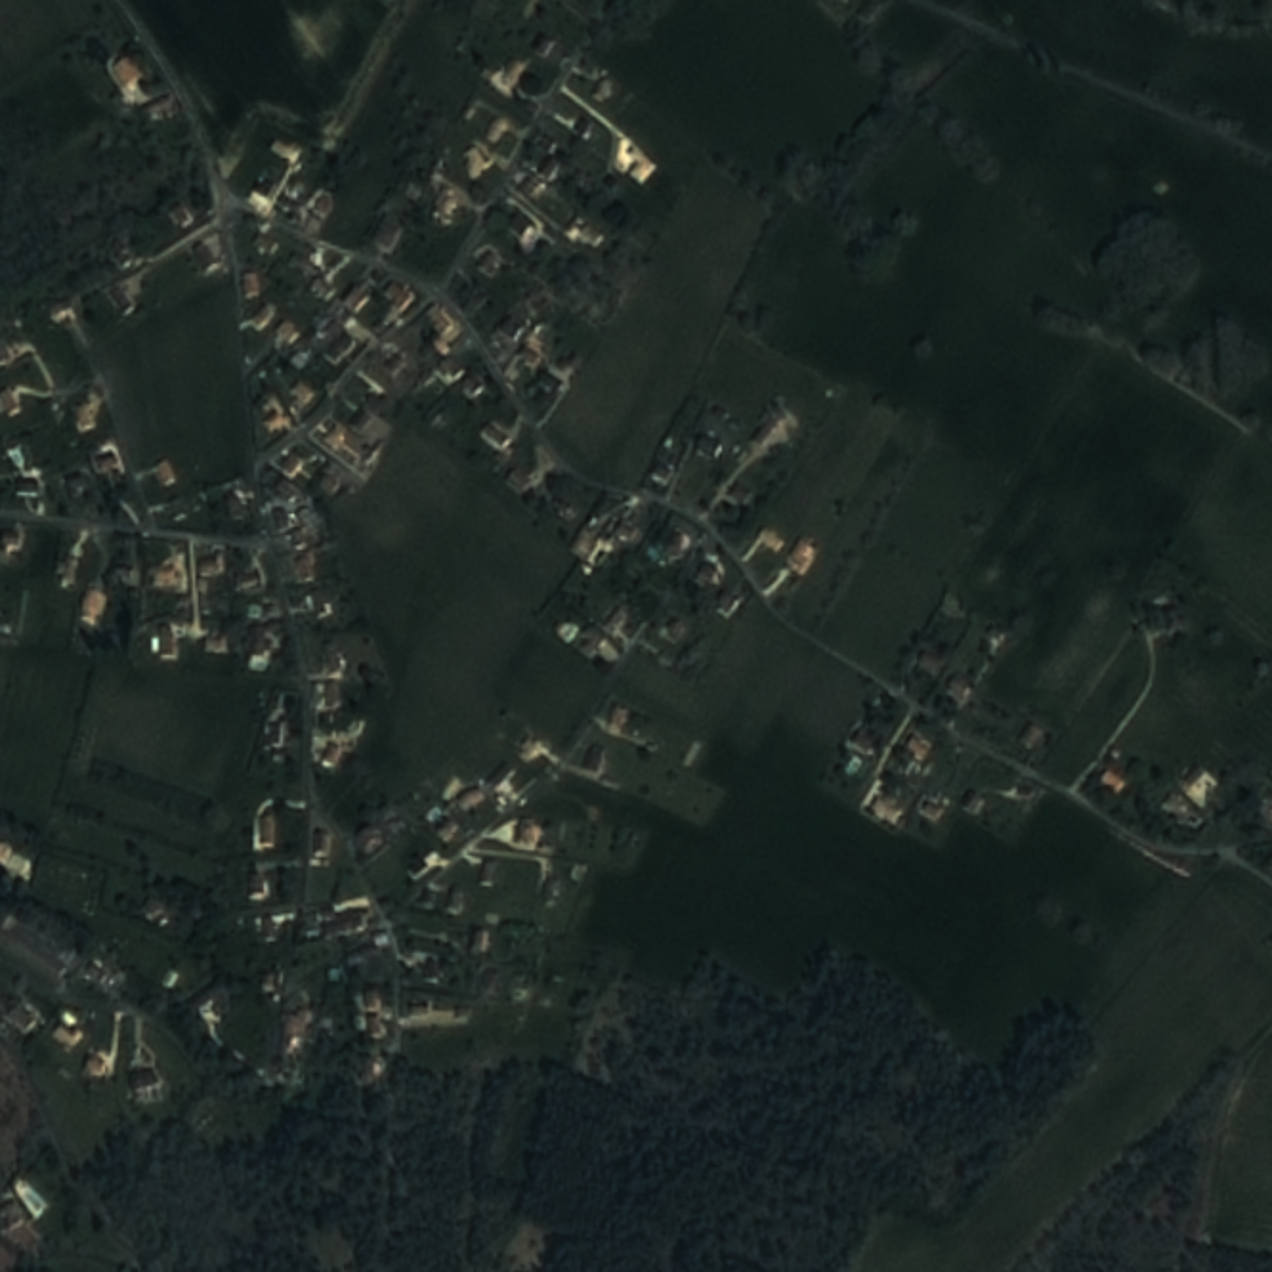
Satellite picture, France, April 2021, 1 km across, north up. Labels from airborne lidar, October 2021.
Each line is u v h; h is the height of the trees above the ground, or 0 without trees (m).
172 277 0
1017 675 0
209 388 0
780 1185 13
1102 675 0
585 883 0
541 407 12
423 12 0
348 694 0
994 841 0
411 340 0
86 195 15
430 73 0
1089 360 0
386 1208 11
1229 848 0
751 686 0
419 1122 13
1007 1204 0
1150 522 0
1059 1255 17
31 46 0
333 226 0
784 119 0
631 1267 20
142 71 10
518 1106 7
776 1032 20
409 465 0
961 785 0
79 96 0
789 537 0
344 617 6
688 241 0
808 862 0
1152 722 0
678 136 0
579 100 0
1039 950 0
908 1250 0
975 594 0
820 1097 16
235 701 0
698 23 0
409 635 0
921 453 0
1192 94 0
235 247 0
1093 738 0
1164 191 0
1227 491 0
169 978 0
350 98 0
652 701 0
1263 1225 6
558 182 7
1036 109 0
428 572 0
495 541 0
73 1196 15
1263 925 0
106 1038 0
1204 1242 0
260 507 0
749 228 0
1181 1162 17
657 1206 22
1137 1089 0
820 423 0
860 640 0
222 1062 14
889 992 12
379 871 0
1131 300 14
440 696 0
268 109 0
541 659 0
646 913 0
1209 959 0
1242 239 0
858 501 0
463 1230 13
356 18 0
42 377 0
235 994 18
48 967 0
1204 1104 16
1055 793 0
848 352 0
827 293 0
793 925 0
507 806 0
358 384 0
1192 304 0
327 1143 8
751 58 0
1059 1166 0
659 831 0
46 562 0
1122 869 0
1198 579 6
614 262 9
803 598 0
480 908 0
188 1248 21
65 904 0
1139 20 0
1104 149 0
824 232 0
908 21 0
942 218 0
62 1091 0
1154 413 0
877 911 0
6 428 0
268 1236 7
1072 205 0
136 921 8
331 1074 8
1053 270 0
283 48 0
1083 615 0
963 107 0
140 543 7
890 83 17
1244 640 0
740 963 0
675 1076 11
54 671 0
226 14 0
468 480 0
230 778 0
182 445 0
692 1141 18
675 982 0
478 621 0
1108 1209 12
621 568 7
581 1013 13
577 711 0
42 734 0
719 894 0
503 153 0
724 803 0
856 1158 11
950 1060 19
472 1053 12
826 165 8
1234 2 0
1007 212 0
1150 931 0
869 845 0
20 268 22
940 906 0
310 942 6
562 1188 20
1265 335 0
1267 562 0
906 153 0
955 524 0
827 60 0
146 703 0
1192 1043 0
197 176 13
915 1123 25
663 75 0
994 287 0
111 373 0
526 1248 0
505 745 0
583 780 0
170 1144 19
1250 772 16
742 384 0
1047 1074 17
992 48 0
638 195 0
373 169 0
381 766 0
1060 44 0
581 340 0
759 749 0
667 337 0
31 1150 16
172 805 8
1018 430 0
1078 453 0
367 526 0
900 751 9
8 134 20
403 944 6
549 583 0
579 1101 18
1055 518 0
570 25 0
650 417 0
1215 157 0
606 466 0
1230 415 0
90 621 0
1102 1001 0
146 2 0
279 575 0
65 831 0
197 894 11
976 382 0
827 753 0
